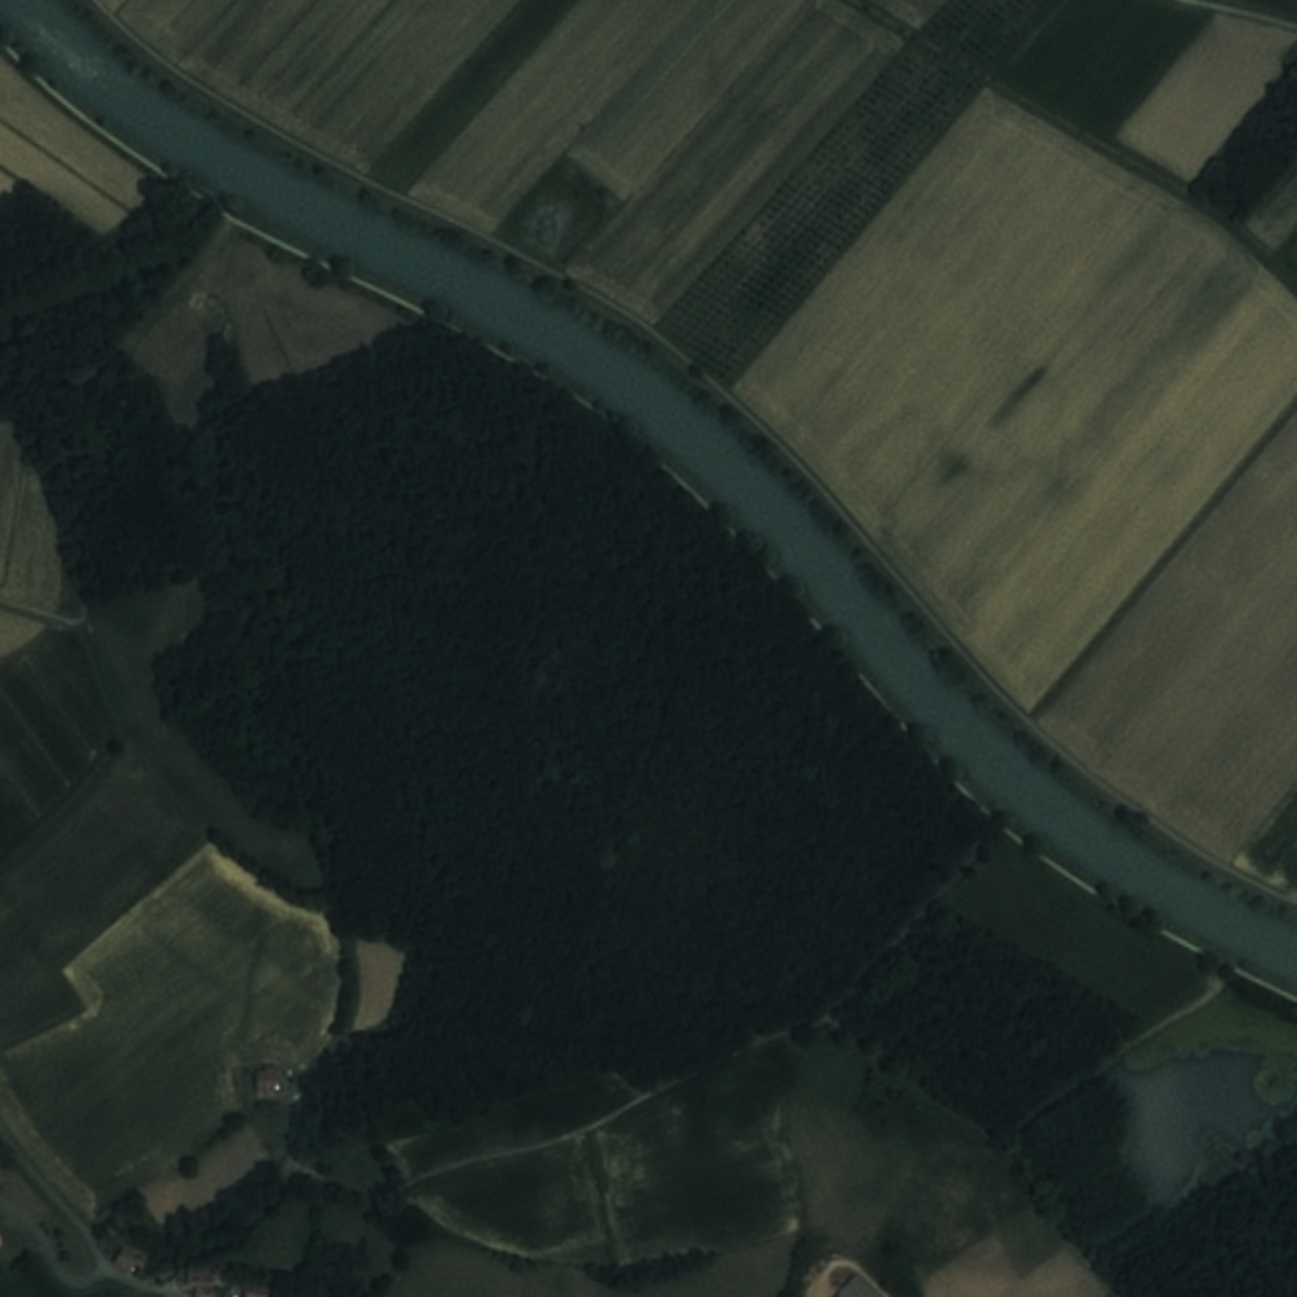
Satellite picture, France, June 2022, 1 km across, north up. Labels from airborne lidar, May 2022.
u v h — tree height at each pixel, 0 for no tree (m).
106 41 5
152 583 17
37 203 21
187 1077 0
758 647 15
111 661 0
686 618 14
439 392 23
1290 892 0
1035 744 9
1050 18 0
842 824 16
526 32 0
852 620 0
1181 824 0
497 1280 0
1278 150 10
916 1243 0
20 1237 0
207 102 0
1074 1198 11
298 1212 0
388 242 0
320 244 0
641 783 12
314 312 0
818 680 17
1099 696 0
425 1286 0
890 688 0
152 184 19
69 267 17
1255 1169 11
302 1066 0
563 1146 0
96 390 21
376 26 0
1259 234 0
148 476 28
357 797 17
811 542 0
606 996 15
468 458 22
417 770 16
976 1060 18
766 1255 0
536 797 14
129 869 0
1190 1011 0
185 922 0
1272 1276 20
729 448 0
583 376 0
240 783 11
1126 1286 23
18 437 14
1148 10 0
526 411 20
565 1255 0
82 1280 0
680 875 10
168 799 0
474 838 19
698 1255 17
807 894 9
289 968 0
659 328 0
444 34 0
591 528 20
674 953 11
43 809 0
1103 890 14
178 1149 0
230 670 24
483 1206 0
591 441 21
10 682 0
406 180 0
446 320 6
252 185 0
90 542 19
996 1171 0
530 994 22
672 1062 16
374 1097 24
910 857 14
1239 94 0
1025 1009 16
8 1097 0
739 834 10
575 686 13
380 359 20
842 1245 0
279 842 0
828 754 19
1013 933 0
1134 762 0
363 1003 0
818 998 11
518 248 0
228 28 0
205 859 0
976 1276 0
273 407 20
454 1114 18
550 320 0
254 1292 0
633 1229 0
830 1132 0
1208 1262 16
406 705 16
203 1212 8
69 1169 0
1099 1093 17
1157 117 0
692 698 14
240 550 30
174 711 15
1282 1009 10
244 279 0
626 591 15
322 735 18
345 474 22
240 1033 0
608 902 12
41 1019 0
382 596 21
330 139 0
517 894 18
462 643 14
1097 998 14
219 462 10
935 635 0
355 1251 10
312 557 17
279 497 19
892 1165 0
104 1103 0
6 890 0
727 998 12
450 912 15
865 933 13
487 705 16
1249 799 0
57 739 0
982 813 9
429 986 16
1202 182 7
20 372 29
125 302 19
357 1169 0
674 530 19
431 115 0
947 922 22
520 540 15
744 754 13
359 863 20
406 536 16
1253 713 0
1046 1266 0
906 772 20
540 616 14
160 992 0
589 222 0
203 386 0
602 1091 0
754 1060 0
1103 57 0
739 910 8
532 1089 13
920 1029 17
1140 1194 8
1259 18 0
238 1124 13
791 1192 0
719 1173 0
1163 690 0
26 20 0
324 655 15
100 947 0
